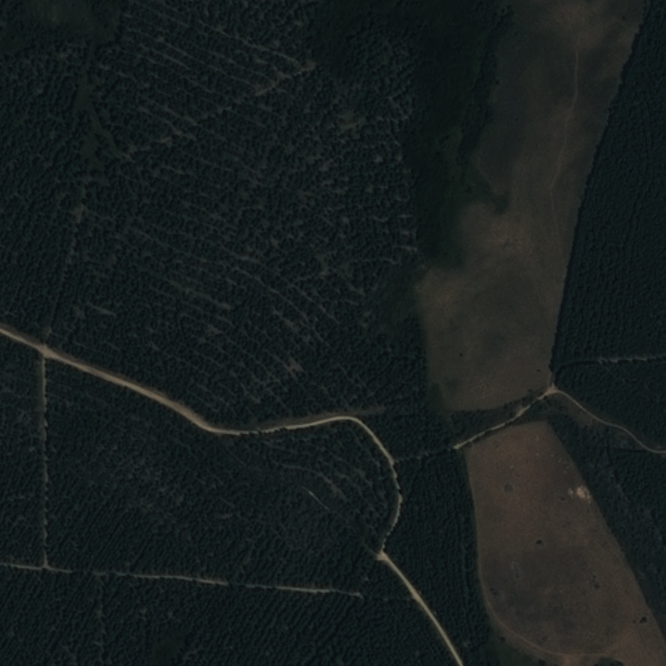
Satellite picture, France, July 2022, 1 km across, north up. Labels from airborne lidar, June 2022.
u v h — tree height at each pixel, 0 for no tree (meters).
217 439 9
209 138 20
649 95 14
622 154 16
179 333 10
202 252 12
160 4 11
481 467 0
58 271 20
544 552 0
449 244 0
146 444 10
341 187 14
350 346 23
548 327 0
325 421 0
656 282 14
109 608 18
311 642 24
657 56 16
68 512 16
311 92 15
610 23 0
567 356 21
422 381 22
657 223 16
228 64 10
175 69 15
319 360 21
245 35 13
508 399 0
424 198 15
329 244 10
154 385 20
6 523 9
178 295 10
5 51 0
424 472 17
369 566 15
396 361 17
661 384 16
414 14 14
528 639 0
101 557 15
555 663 0
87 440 13
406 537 19
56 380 10
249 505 10
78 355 17
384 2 17
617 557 0
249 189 14
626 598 0
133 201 18
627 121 16
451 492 21
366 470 13
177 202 11
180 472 12
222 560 12
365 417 7
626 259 19
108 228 12
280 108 13
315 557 10
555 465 0
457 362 0
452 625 20
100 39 0
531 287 0
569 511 0
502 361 0
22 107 15
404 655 19
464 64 15
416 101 16
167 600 16
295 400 19
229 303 20
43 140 18
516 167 0
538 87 0
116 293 18
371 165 14
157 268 12
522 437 0
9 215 11
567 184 0
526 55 0
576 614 0
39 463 15
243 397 12
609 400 13
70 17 0
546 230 0
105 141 16
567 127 0
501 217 0
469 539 18
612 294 20
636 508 12
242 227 12
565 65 0
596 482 7
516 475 0
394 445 17
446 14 18
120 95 19
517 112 0
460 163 5
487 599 0
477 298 0
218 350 15
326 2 6
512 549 0
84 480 12
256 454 10
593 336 19
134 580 19
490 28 9
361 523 21
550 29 0
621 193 13
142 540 17
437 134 16
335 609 16
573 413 0
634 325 18
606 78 0
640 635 0
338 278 18
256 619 18
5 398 8
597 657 0
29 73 15
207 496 17
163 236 11
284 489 10
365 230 20
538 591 0
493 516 0
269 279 17
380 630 26
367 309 8
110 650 17
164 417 14
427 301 0
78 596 18
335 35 12
